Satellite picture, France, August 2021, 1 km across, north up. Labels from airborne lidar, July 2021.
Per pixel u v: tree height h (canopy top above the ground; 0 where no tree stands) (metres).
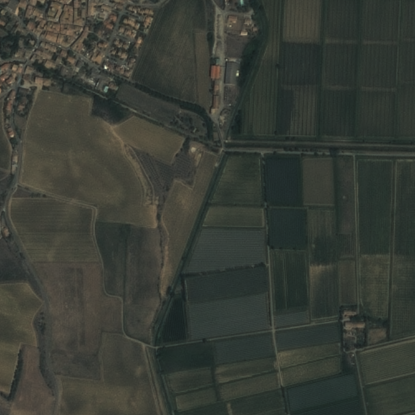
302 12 0
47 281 0
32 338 0
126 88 0
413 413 0
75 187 0
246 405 0
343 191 0
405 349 0
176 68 0
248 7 7
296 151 9
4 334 0
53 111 0
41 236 0
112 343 0
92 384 0
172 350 0
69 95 0
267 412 0
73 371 0
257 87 0
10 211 0
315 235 0
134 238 0
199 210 0
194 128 10
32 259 0
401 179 0
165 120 0
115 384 0
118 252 0
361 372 0
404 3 0
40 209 0
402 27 0
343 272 0
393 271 0
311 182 0
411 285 0
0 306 0
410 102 0
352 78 0
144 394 0
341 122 0
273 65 0
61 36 0
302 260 0
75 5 0
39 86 0
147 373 0
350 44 0
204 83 0
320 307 0
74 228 0
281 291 0
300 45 0
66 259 0
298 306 0
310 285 0
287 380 0
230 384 0
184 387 0
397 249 0
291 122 0
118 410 0
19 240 0
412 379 0
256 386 0
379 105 0
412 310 0
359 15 0
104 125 0
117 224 0
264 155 0
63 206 0
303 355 0
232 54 0
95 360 0
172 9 0
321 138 0
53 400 0
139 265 0
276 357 0
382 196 0
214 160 0
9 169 0
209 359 0
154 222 0
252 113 0
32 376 0
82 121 0
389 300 0
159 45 0
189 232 0
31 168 0
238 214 0
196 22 0
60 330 0
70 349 0
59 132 0
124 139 0
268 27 0
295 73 0
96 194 0
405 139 0
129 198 0
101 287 0
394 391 0
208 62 0
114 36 0
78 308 0
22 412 0
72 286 0
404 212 0
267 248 0
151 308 0
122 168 0
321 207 0
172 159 0
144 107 0
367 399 0
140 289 0
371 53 0
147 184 0
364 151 0
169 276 0
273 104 0
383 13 0
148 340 0
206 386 0
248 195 0
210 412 0
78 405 0
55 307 0
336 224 0
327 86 0
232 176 0
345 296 0
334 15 0
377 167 0
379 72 0
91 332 0
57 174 0
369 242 0
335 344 0
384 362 0
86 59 0
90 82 0
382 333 0
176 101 14
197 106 14
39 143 0
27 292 0
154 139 0
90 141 0
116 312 0
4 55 8
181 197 0
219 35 0
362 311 0
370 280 0
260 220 0
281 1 0
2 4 5
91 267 0
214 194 0
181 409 0
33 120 0
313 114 0
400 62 0
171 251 0
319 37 0
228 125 0
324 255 0
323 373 0
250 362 0
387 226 0
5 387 0
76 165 0
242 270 13
